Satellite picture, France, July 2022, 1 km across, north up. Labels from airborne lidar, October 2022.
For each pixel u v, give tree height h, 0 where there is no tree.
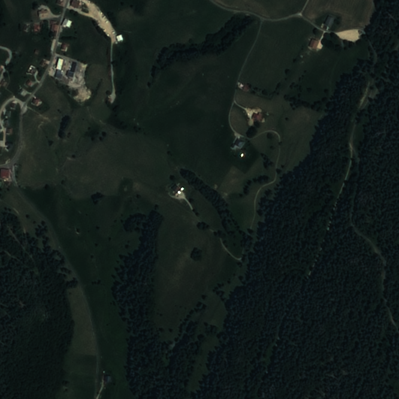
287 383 28
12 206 0
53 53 0
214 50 18
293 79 0
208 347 0
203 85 0
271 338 23
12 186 0
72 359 0
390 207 16
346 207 26
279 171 11
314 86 0
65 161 0
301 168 13
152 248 32
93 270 0
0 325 23
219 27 0
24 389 17
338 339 16
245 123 0
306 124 0
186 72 0
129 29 0
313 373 22
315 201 10
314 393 18
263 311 21
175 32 0
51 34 8
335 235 9
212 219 0
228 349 25
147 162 0
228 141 0
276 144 0
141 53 0
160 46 0
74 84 0
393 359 15
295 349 16
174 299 0
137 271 29
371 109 10
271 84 0
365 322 20
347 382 26
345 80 25
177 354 20
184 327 17
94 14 0
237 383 18
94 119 0
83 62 7
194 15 0
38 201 0
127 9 0
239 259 0
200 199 0
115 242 0
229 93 0
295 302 26
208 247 0
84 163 0
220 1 0
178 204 0
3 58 0
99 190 0
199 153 0
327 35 14
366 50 0
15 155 0
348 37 0
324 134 22
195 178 19
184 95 0
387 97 23
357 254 24
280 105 0
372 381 22
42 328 18
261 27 0
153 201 0
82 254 0
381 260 18
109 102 8
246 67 0
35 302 27
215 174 0
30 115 0
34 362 19
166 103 0
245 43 0
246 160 0
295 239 12
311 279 7
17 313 20
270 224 23
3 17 15
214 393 25
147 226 26
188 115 0
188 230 0
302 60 0
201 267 0
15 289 18
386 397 26
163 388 35
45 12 0
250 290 22
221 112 0
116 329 0
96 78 0
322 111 7
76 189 0
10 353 20
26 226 0
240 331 29
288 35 0
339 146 16
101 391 0
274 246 28
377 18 24
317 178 13
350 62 0
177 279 0
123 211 0
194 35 0
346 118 11
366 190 13
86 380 0
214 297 0
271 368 19
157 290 0
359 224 16
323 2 0
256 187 0
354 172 6
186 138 0
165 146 0
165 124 0
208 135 0
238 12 0
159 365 26
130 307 28
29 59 0
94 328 0
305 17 0
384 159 20
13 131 0
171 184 0
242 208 0
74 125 0
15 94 0
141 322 24
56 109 0
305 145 0
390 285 19
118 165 0
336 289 22
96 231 0
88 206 0
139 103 0
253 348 22
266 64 0
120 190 0
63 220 0
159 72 22
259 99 0
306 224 14
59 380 21
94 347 0
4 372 21
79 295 0
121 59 6
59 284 13
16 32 0
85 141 0
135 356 20
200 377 0
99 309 0
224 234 16
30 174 0
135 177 0
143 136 0
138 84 0
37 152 0
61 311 25
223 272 0
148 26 0
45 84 0
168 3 0
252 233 26
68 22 0
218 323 0
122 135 0
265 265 29
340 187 0
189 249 0
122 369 0
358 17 0
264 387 16
